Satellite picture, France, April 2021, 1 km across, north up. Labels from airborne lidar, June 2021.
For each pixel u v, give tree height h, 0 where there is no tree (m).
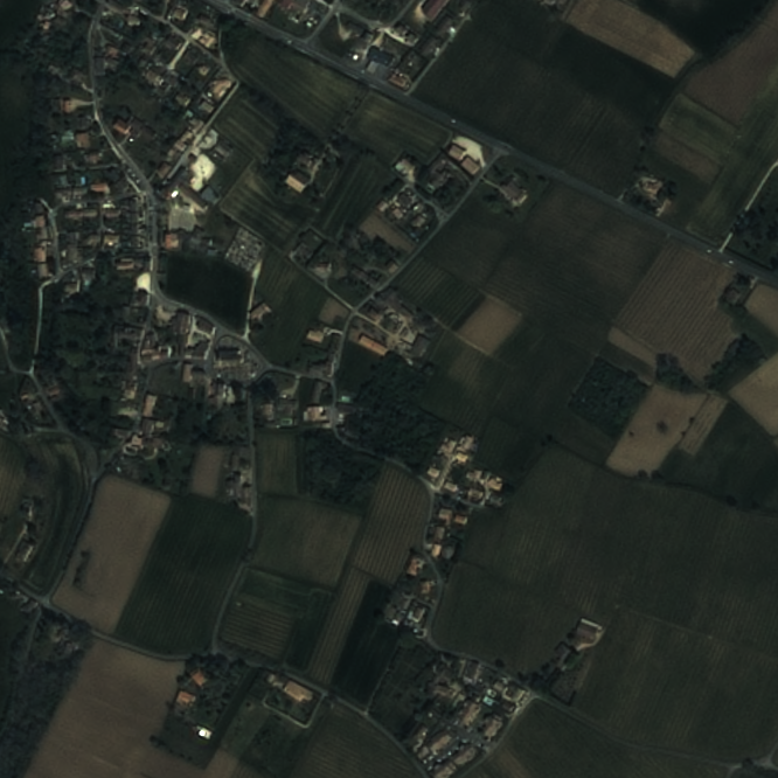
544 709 0
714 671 0
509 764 0
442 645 0
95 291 9
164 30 14
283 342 0
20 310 9
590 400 6
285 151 17
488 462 0
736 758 0
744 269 0
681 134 0
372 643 0
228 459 0
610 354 0
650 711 0
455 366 0
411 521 0
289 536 0
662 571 0
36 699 16
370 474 7
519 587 0
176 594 0
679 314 0
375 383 6
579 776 0
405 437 7
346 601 0
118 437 7
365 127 0
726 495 0
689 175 0
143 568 0
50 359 7
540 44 0
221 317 0
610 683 0
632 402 14
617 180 0
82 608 0
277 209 0
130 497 0
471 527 0
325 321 0
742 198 0
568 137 0
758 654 0
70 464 0
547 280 0
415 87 0
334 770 0
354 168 0
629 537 0
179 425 8
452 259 0
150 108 0
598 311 0
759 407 0
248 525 0
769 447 0
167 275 0
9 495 0
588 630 0
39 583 0
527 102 0
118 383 6
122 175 6
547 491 0
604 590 0
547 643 0
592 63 0
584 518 0
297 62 0
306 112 0
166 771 0
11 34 0
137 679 0
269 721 0
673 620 0
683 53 0
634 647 0
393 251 9
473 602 0
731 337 0
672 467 0
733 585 0
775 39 0
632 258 0
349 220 0
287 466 0
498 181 0
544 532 0
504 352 0
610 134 0
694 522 0
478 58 0
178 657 0
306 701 9
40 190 0
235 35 10
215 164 0
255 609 0
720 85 0
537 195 0
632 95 0
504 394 0
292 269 0
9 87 0
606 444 0
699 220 0
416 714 7
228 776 0
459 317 0
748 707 0
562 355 0
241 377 0
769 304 0
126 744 0
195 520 0
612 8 0
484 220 0
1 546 11
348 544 0
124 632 0
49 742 0
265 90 0
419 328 9
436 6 0
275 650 0
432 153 0
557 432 0
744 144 0
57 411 19
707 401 0
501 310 0
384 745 0
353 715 0
